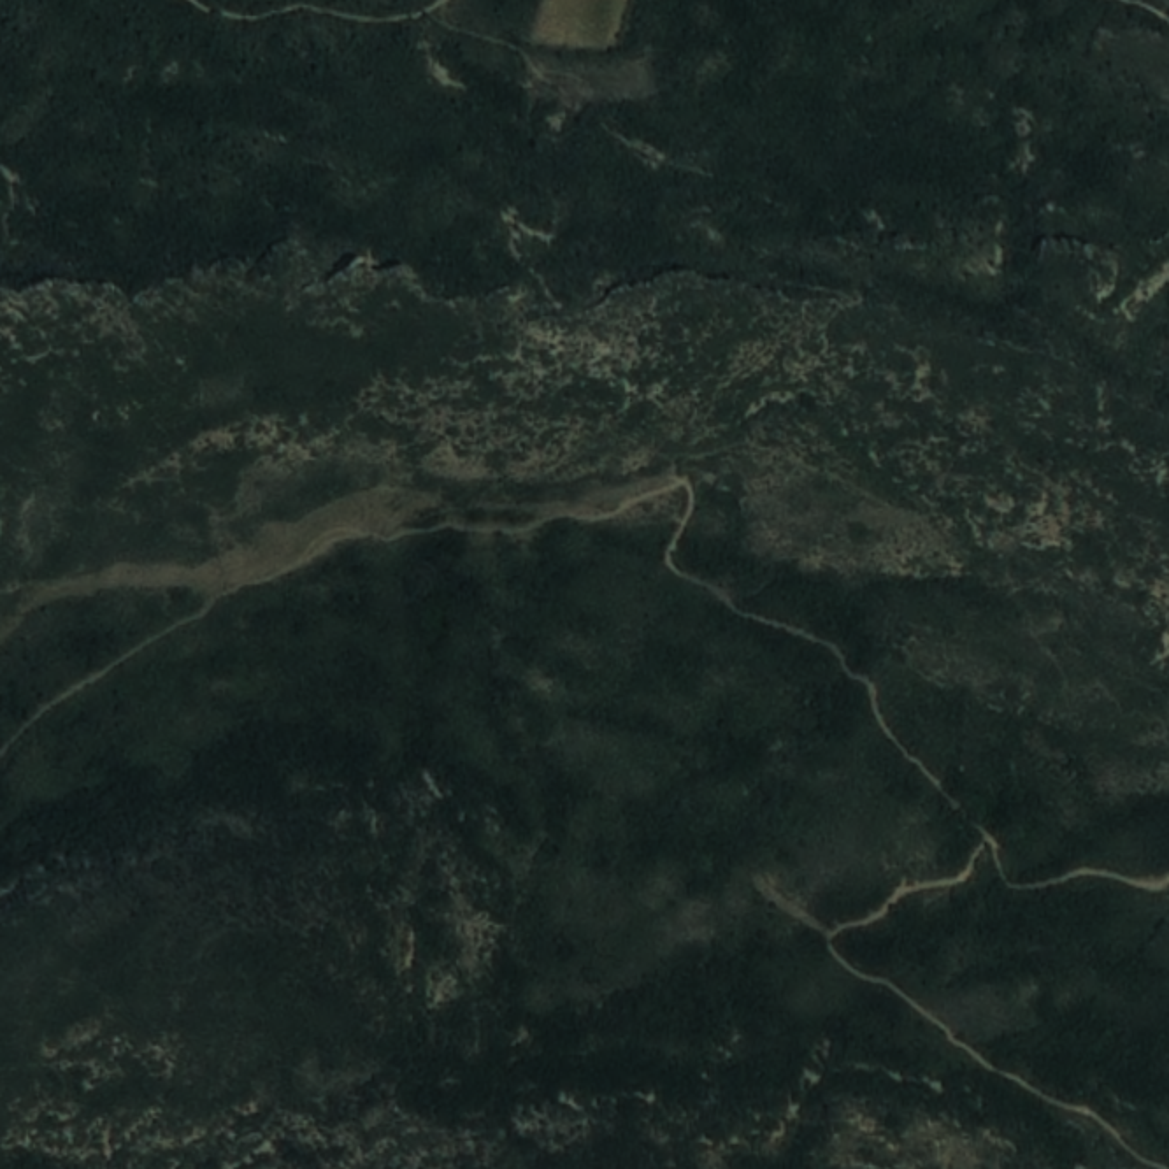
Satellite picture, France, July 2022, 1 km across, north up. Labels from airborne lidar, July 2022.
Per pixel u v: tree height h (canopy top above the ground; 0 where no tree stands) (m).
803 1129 6
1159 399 6
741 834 6
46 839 6
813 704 6
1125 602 0
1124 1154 7
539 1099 6
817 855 0
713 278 6
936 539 0
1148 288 0
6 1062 0
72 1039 0
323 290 0
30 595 0
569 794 9
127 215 7
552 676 7
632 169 6
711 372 0
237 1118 6
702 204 5
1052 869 7
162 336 0
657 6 7
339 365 0
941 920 8
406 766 5
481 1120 5
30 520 0
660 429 0
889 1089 6
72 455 0
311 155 5
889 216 6
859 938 6
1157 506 0
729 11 7
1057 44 6
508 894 10
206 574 0
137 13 9
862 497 0
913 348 0
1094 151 10
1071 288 0
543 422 0
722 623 5
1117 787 0
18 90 6
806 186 6
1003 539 0
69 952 0
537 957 6
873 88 6
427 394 0
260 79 6
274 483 0
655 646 7
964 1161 0
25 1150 6
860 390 0
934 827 9
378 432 0
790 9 6
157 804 5
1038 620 0
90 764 6
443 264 6
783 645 6
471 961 0
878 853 0
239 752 7
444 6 0
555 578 5
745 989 7
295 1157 6
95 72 10
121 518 0
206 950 0
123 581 0
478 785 6
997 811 6
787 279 6
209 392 0
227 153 8
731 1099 8
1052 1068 9
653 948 0
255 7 6
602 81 0
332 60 7
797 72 6
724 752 8
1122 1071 9
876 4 7
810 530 0
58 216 6
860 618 7
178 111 7
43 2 10
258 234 6
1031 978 6
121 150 6
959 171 7
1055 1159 6
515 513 0
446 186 6
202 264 6
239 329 5
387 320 0
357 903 6
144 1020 0
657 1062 7
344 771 8
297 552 0
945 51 7
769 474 0
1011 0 9
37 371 0
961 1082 7
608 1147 6
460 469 0
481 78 6
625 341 0
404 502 0
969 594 6
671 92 6
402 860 5
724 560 7
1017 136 7
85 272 5
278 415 0
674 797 7
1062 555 0
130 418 0
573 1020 7
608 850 6
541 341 0
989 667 0
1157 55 0
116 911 0
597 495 0
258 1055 0
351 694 6
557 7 0
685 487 0
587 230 5
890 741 8
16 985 0
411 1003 7
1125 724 0
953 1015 0
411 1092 5
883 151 6
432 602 6
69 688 0
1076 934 6
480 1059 6
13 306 0
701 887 8
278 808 6
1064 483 0
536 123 8
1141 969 6
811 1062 7
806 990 0
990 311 7
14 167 6
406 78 7
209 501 0
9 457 0
